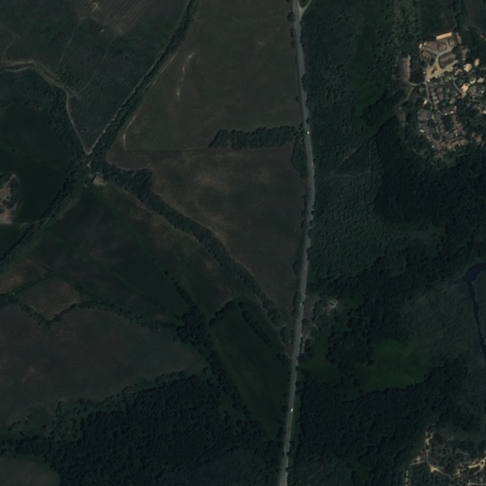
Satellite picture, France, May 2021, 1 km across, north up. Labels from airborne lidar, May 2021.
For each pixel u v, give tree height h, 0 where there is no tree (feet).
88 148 0
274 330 0
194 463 45
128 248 0
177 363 0
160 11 0
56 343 0
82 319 0
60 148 0
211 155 0
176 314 31
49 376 0
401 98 44
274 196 0
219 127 0
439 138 35
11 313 0
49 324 41
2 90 0
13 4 0
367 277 50
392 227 21
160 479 52
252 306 0
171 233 0
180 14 0
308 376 45
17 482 0
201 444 80
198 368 0
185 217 22
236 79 0
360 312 61
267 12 0
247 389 0
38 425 0
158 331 32
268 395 0
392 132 66
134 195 0
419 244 45
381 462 74
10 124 0
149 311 0
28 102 34
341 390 48
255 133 31
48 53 0
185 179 0
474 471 25
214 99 0
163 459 78
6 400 0
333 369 0
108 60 0
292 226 0
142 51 0
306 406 57
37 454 43
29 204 0
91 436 83
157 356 0
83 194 0
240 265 28
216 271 0
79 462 73
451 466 28
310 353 76
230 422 49
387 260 38
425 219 24
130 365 0
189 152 0
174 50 35
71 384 0
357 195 23
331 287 38
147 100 0
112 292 0
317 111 25
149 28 0
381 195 66
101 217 0
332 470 31
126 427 69
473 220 51
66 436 41
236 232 0
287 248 0
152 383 27
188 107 0
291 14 36
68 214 0
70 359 0
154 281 0
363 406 71
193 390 83
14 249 49
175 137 0
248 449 43
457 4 43
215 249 38
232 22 0
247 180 0
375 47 20
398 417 78
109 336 0
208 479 22
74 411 35
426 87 22
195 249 0
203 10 0
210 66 0
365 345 60
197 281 0
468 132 21
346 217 22
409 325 20
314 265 27
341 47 0
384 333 54
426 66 32
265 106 0
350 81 23
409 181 76
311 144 0
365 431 70
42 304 0
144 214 0
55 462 61
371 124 42
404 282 68
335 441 76
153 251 0
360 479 41
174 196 0
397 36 23
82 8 0
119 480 49
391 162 73
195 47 0
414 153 30
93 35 0
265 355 0
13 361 0
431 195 68
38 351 0
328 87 20
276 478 34
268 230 0
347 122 29
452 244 45
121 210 0
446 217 57
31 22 0
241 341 0
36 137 0
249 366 0
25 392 0
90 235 0
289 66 0
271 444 51
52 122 43
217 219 0
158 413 86
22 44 0
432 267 62
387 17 25
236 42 0
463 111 41
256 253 0
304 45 25
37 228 44
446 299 19
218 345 0
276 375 0
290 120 0
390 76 22
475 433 0
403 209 68
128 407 59
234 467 30
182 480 37
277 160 0
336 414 79
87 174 31
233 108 0
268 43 0
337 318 54
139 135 0
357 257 25
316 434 69
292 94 0
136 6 0
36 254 0
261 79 0
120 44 0
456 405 47
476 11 0
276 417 0
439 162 43
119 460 87
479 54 26
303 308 0
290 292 0
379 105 43
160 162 0
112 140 32
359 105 21
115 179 36
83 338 0
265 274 0
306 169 38
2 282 0
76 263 0
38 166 0
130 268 0
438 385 71
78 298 0
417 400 80
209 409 79
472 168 29
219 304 0
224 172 0
